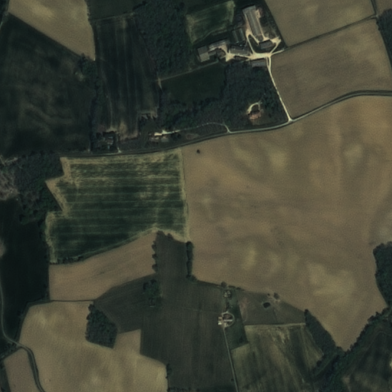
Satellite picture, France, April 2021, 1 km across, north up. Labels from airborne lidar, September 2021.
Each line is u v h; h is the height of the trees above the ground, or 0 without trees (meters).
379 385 0
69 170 0
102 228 0
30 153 0
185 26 23
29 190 19
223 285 14
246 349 0
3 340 0
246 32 0
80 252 0
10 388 0
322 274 0
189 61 21
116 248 0
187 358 0
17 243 0
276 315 0
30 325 0
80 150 6
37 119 0
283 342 0
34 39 0
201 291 0
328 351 19
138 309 0
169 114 10
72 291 0
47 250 14
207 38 0
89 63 14
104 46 0
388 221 0
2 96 0
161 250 0
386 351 0
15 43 0
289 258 0
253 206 0
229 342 0
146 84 0
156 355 0
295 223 0
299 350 0
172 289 0
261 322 0
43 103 0
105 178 0
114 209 0
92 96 0
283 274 0
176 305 0
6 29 0
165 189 0
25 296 0
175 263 0
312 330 15
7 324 0
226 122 18
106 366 0
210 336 0
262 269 0
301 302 0
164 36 19
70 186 0
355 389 0
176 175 0
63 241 0
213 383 0
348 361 16
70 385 0
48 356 0
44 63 0
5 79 0
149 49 12
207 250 0
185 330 0
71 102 0
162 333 0
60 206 0
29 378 0
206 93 0
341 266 0
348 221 0
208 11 0
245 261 0
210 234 0
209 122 15
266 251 0
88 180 0
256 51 0
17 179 22
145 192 0
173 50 21
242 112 18
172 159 0
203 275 0
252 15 0
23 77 0
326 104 0
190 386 0
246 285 0
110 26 0
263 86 19
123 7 0
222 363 0
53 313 0
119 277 0
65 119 0
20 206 0
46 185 0
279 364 0
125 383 0
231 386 0
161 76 20
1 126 0
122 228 0
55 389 0
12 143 0
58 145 0
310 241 0
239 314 0
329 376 15
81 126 0
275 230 0
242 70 18
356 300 0
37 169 23
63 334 0
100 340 10
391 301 24
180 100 0
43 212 20
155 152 0
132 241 0
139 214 0
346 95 0
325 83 0
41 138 0
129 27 0
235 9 0
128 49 0
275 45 0
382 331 0
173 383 0
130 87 0
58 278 0
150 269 0
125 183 0
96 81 19
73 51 0
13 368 0
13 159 0
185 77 0
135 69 0
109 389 0
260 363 0
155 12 20
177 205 0
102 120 7
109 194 0
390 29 20
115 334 13
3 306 0
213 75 0
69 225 0
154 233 0
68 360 0
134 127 0
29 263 0
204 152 0
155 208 0
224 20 0
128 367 0
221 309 0
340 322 0
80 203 0
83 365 0
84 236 0
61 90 0
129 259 0
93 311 19
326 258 0
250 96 22
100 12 0
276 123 11
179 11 11
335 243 0
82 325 0
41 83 0
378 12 0
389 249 18
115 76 0
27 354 0
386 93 0
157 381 0
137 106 0
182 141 0
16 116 0
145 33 15
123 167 0
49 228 0
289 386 0
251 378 0
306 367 0
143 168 0
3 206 0
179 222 0
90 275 0
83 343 0
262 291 0
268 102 22
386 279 25
